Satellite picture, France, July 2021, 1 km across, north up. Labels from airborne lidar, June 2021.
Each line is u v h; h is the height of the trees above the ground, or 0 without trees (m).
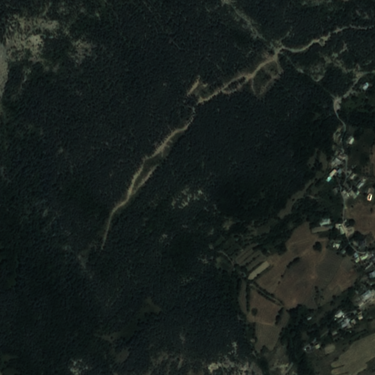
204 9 10
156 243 13
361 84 7
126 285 13
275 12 12
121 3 6
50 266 12
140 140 10
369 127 9
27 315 10
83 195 12
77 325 11
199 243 13
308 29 13
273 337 0
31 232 9
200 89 0
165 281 11
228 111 8
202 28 12
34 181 11
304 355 11
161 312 6
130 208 6
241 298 0
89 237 10
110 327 11
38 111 11
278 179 11
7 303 16
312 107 17
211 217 6
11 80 12
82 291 13
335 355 0
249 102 17
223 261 0
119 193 13
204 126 17
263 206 15
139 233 13
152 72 16
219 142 14
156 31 14
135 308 16
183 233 10
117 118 12
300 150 11
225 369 10
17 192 11
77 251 6
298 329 13
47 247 12
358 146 0
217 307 17
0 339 13
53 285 11
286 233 7
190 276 12
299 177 12
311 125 11
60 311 7
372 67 8
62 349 15
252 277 0
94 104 13
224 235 8
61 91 15
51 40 7
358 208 0
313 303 0
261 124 13
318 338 10
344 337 5
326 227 6
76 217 14
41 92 12
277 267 0
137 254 11
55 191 12
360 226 0
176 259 14
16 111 15
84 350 9
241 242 9
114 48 9
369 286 8
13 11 14
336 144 8
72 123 12
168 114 13
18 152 7
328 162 13
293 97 15
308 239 0
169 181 11
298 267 0
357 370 0
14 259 10
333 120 13
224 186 16
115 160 14
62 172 11
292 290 0
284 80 15
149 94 12
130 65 17
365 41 9
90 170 16
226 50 12
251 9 11
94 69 9
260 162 12
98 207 10
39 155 12
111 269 11
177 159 13
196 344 12
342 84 9
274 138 12
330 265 0
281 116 11
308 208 7
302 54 10
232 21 6
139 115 16
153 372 7
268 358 0
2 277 17
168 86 10
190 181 11
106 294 10
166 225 17
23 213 7
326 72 6
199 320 16
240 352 6
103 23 15
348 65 6
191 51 12
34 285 8
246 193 13
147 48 13
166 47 15
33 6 8
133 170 10
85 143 9
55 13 6
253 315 0
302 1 7
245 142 14
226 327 11
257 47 13
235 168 11
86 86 10
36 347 10
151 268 13
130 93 9
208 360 10
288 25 10
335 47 7
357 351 0
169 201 14
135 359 9
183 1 19
